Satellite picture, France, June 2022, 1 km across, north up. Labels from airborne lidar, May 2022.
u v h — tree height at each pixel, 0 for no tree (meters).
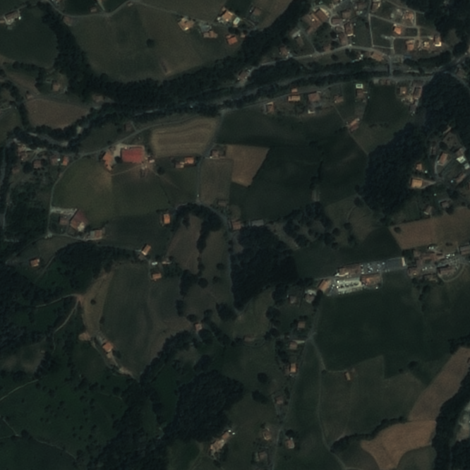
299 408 0
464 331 0
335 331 0
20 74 0
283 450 0
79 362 0
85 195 0
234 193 0
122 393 12
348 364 0
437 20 16
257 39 22
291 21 20
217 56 0
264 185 0
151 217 0
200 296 0
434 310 0
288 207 0
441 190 0
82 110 0
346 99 0
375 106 0
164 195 0
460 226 0
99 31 0
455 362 0
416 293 0
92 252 15
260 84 10
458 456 18
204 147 0
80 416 0
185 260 0
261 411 0
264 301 0
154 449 13
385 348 0
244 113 0
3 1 0
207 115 15
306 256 0
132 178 0
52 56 0
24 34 0
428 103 15
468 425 0
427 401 0
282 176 0
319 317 0
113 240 0
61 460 0
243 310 14
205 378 21
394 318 0
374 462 0
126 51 0
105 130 0
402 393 0
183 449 0
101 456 11
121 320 0
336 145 0
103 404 0
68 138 24
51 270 0
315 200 0
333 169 0
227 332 0
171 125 0
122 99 26
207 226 18
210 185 0
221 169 0
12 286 19
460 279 0
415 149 17
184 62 0
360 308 0
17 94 14
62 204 0
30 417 0
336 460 0
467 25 19
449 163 0
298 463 0
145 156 0
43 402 0
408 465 0
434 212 11
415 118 0
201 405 18
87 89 7
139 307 0
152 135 0
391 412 0
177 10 0
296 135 0
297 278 18
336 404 0
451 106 19
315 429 0
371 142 0
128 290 0
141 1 0
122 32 0
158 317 0
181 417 18
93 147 0
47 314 0
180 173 0
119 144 0
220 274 0
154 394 22
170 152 0
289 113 0
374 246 0
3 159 7
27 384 0
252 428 0
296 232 8
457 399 17
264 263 24
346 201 0
